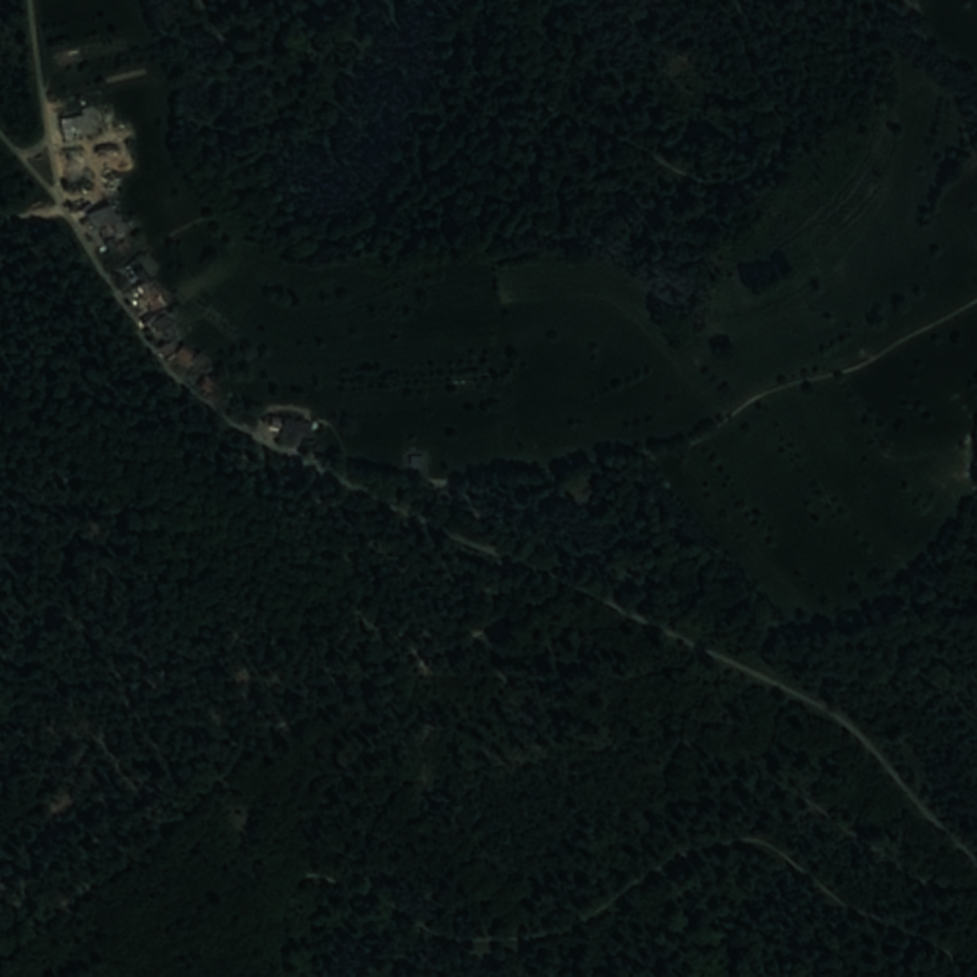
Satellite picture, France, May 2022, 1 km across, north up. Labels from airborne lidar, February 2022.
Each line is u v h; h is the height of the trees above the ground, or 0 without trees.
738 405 0
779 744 7
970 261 0
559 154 37
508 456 0
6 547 33
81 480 35
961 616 34
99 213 0
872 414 6
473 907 14
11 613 37
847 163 0
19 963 21
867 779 10
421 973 28
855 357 0
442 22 36
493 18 34
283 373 0
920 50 28
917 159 0
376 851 15
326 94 17
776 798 36
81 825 35
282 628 35
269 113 11
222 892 16
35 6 0
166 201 0
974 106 25
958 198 0
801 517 0
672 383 0
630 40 24
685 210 32
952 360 0
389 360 0
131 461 31
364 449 0
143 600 34
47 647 35
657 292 30
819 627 13
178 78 19
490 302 0
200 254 0
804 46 29
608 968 39
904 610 32
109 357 33
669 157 35
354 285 0
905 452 0
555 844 6
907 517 0
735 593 30
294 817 10
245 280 0
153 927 15
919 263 0
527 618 20
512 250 24
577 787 10
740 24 28
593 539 26
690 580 32
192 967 12
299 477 30
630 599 29
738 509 6
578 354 0
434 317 0
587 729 33
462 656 33
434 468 0
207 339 0
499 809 9
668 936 34
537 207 32
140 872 16
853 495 0
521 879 12
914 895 29
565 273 0
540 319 0
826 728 12
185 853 15
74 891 20
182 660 33
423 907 16
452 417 0
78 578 34
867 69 31
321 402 0
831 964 33
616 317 0
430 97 28
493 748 6
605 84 33
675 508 22
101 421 28
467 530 27
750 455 0
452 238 34
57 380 32
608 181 31
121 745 36
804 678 31
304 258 23
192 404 14
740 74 30
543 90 32
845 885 10
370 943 37
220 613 32
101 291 24
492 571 30
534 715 36
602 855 7
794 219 0
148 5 21
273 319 0
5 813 15
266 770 19
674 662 7
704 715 9
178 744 35
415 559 33
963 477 0
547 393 0
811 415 0
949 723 10
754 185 35
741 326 0
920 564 11
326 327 0
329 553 29
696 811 31
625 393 0
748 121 35
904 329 0
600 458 25
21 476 32
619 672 37
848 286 0
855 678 31
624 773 11
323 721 27
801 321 0
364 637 35
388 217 29
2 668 34
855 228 0
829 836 7
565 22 34
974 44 0
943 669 26
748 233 18
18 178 16
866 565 0
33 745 35
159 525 31
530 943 12
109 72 0
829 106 32
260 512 32
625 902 12
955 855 16
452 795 9
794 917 17
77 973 34
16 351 32
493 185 33
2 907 32
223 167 19
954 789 17
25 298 30
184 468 32
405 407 0
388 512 30
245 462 33
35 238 32
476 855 7
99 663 34
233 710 37
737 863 8
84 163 0
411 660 24
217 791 21
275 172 33
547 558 26
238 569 29
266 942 20
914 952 37
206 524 28
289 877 18
